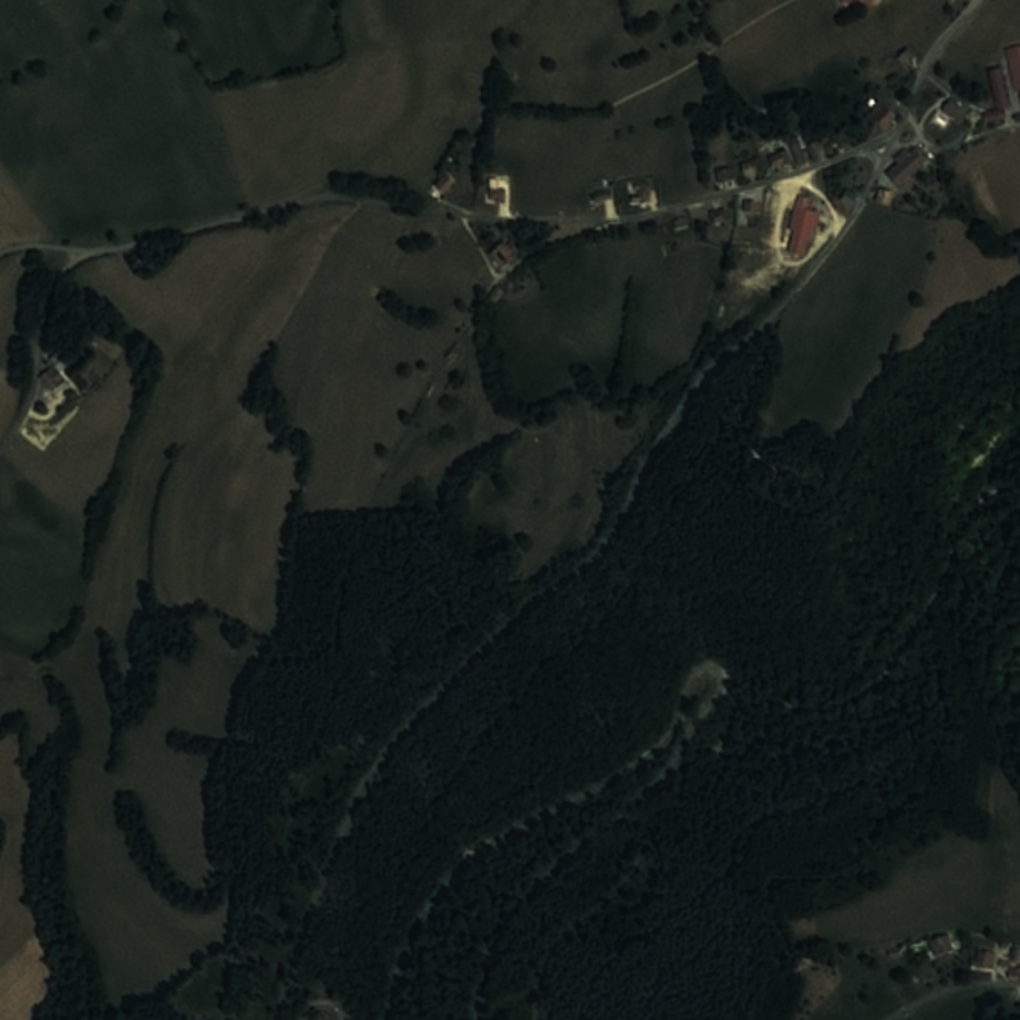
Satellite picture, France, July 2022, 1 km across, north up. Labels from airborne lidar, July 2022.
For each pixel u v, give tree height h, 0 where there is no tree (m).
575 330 0
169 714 0
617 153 0
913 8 0
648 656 16
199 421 0
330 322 0
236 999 23
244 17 0
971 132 0
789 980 12
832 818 26
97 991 9
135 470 0
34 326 16
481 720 21
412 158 0
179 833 0
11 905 0
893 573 30
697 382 0
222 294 0
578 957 31
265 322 0
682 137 0
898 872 0
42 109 0
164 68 0
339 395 0
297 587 20
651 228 13
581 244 9
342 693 22
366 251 0
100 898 0
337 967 20
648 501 27
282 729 23
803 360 0
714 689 0
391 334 0
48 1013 10
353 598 21
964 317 23
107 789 0
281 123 0
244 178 0
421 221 0
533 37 0
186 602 0
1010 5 0
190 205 0
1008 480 23
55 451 0
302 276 0
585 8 0
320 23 0
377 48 0
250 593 0
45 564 0
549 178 0
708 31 9
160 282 0
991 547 37
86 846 0
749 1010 36
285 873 23
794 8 0
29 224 0
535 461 0
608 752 17
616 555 21
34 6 0
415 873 27
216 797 16
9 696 0
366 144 0
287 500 0
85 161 0
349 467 0
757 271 0
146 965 0
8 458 0
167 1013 22
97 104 0
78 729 11
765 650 17
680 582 22
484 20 0
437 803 21
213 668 0
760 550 25
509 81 19
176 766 0
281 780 21
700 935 35
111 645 14
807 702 29
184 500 0
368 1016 18
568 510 0
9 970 0
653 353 0
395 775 26
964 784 17
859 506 13
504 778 21
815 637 15
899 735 33
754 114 15
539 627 25
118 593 0
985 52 0
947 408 31
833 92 0
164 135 0
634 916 26
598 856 10
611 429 0
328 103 0
